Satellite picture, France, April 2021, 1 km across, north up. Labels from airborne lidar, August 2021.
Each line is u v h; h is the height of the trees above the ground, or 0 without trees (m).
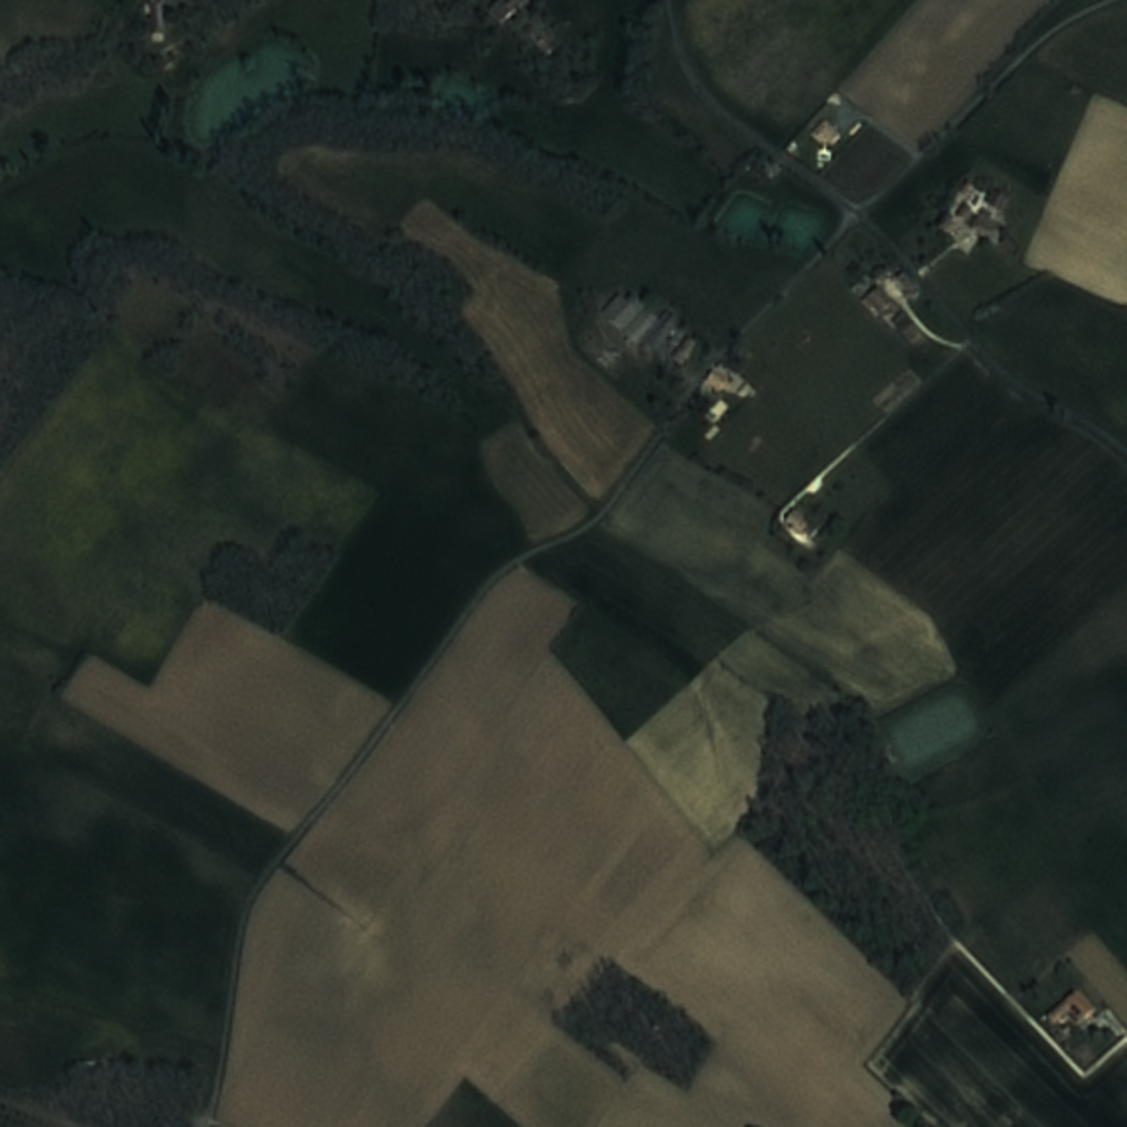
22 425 15
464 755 0
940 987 0
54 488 0
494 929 0
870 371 0
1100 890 0
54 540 0
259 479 0
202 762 0
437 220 0
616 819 0
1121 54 0
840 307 0
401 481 0
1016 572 0
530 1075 0
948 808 0
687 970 0
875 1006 0
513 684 0
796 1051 0
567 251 0
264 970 0
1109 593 0
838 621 0
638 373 0
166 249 20
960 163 0
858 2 0
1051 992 0
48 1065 0
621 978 19
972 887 0
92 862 0
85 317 14
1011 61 9
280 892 0
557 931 0
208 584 13
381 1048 0
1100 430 0
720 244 11
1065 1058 0
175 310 0
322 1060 0
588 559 0
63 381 13
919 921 18
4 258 0
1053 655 0
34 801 0
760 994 0
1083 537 0
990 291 0
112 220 0
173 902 0
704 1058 16
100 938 0
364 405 0
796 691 0
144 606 0
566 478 0
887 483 0
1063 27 0
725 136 0
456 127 19
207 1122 0
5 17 0
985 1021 0
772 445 0
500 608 0
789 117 0
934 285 0
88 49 15
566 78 18
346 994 0
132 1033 0
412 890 0
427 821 0
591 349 0
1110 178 0
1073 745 0
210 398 0
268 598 15
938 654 0
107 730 0
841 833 19
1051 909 0
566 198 12
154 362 13
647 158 0
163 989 0
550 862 0
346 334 20
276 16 0
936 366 0
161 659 0
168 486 0
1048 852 0
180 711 0
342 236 17
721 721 0
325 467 0
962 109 0
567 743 0
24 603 0
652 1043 18
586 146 0
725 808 0
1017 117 0
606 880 0
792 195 0
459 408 11
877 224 0
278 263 0
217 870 0
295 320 17
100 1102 12
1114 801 0
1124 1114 0
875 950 16
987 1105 0
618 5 0
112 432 0
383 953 0
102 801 0
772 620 0
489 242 14
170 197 0
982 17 0
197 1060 0
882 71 0
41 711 0
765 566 0
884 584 0
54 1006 0
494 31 6
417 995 0
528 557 0
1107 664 0
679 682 0
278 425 0
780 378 0
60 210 0
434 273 12
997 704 0
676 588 0
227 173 22
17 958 0
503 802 0
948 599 0
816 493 0
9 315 14
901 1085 0
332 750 0
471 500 0
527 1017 0
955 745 0
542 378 0
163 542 0
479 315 0
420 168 0
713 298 0
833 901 16
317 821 0
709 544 0
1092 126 0
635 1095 0
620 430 0
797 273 0
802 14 0
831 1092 0
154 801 0
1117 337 0
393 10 23
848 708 9
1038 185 0
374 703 0
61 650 0
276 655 0
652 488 0
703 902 0
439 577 0
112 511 0
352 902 0
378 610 0
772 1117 0
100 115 0
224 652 0
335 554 11
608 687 0
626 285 0
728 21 0
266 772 0
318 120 20
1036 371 0
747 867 0
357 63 0
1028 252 0
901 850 18
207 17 13
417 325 13
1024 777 0
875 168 0
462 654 0
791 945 0
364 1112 0
